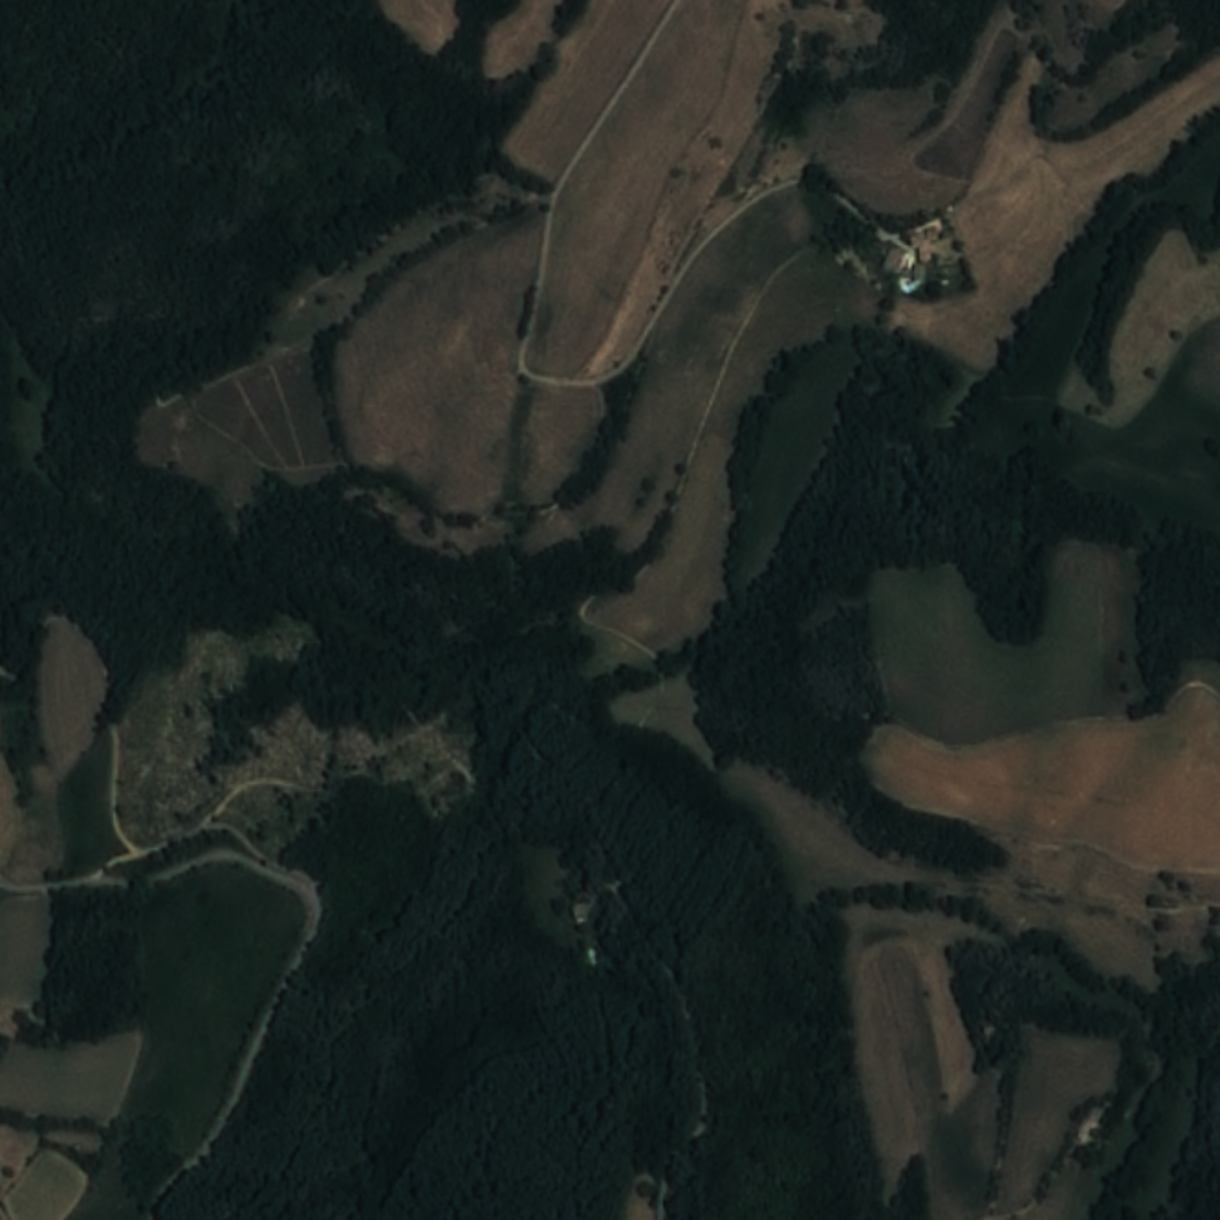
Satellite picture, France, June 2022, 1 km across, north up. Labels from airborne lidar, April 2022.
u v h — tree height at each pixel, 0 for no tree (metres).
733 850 24
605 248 0
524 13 0
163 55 10
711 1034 14
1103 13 0
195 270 14
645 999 17
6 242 8
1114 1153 0
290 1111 21
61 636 0
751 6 0
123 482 11
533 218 0
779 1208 15
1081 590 0
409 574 15
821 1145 14
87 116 18
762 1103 13
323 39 14
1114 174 0
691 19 0
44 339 9
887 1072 0
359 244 17
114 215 13
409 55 12
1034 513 21
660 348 0
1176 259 0
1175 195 0
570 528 0
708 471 0
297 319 0
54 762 0
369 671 21
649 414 0
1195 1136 8
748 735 8
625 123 0
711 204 0
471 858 21
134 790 0
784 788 0
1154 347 0
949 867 13
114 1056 0
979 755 0
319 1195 17
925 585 0
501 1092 19
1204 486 0
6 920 0
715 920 23
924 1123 0
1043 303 15
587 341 0
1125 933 0
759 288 0
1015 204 0
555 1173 16
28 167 17
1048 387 0
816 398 0
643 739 19
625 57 0
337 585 10
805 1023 7
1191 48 11
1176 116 0
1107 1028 14
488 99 11
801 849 0
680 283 0
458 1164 21
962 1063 0
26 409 0
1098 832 0
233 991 0
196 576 21
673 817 26
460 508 0
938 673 0
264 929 0
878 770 0
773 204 0
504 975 15
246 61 18
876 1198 18
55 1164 0
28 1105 0
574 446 0
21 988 0
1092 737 0
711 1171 11
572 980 18
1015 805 0
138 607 20
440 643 20
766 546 0
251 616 22
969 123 0
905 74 11
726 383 0
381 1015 10
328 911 9
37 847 0
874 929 0
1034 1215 0
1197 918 0
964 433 18
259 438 0
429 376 0
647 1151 21
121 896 10
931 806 0
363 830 12
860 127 0
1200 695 0
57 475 12
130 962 18
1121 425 0
